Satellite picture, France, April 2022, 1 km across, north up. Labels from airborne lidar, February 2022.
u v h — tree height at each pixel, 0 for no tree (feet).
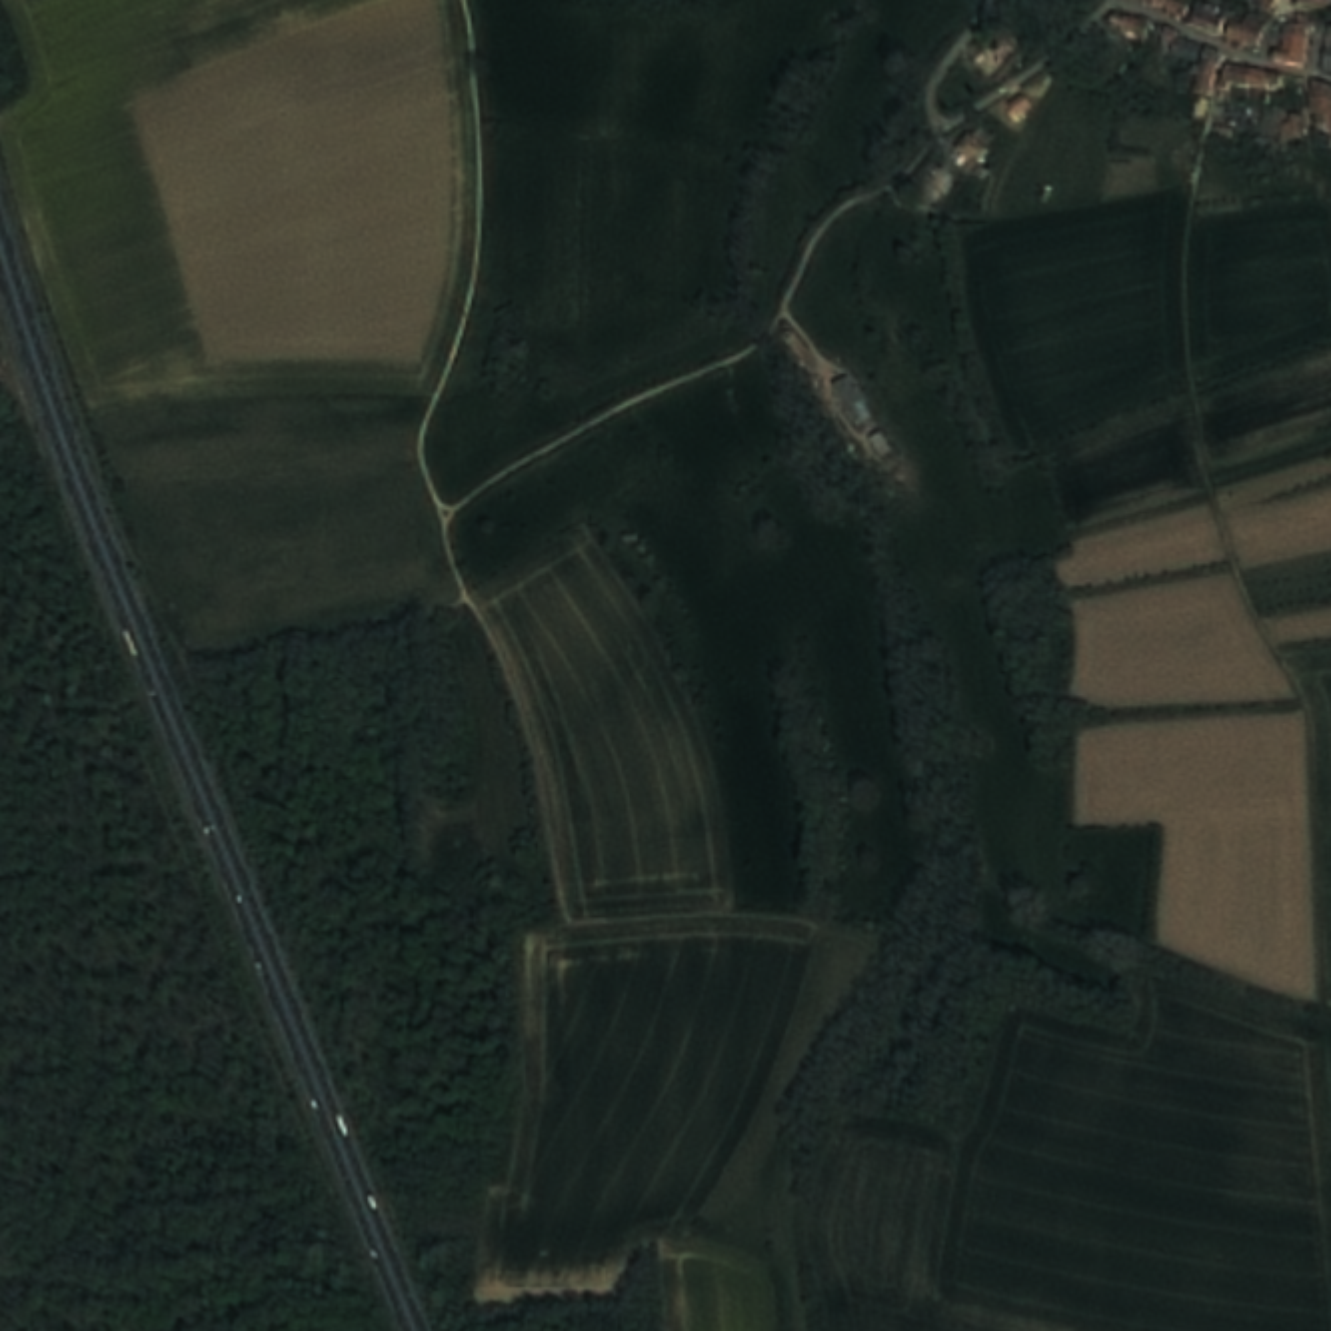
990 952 72
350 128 0
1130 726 0
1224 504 0
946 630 0
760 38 0
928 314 0
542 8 0
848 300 0
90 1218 79
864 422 0
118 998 71
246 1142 31
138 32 0
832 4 0
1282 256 0
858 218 0
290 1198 42
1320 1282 0
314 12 0
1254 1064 0
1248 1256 0
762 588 0
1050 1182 0
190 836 22
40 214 0
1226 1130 0
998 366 0
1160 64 0
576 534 0
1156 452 0
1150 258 0
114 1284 77
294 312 0
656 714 0
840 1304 0
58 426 0
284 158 0
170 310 0
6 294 0
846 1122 0
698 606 0
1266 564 0
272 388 0
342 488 0
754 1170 0
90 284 0
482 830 0
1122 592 0
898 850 0
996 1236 0
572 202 0
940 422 0
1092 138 0
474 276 0
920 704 81
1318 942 0
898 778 0
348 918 70
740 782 0
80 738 72
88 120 0
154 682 0
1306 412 0
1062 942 58
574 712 0
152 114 0
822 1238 0
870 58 0
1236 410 0
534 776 34
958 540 0
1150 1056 0
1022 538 0
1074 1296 0
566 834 0
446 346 0
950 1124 17
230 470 0
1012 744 0
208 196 0
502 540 0
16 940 65
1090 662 0
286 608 0
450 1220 0
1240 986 0
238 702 74
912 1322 0
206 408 0
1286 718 0
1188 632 0
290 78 0
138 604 0
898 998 99
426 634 74
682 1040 0
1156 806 0
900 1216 0
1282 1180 0
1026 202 0
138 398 0
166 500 0
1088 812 0
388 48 0
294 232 0
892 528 49
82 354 0
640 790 0
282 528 0
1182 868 0
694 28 0
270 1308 70
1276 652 0
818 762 75
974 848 50
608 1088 0
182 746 0
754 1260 0
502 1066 44
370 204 0
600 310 0
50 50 0
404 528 0
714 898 0
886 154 64
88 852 64
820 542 0
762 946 0
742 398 0
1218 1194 0
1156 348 0
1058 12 85
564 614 0
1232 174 0
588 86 0
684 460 0
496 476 0
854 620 0
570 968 0
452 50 0
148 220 0
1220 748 0
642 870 0
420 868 67
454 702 70
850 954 0
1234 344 0
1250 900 0
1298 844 0
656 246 0
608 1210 0
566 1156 0
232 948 20
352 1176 0
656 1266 57
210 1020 65
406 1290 0
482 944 61
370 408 0
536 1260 0
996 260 0
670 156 0
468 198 0
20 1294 80
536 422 0
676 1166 0
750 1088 0
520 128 0
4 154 0
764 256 0
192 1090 70
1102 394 0
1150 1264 0
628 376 0
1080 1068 0
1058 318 0
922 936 92
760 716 0
